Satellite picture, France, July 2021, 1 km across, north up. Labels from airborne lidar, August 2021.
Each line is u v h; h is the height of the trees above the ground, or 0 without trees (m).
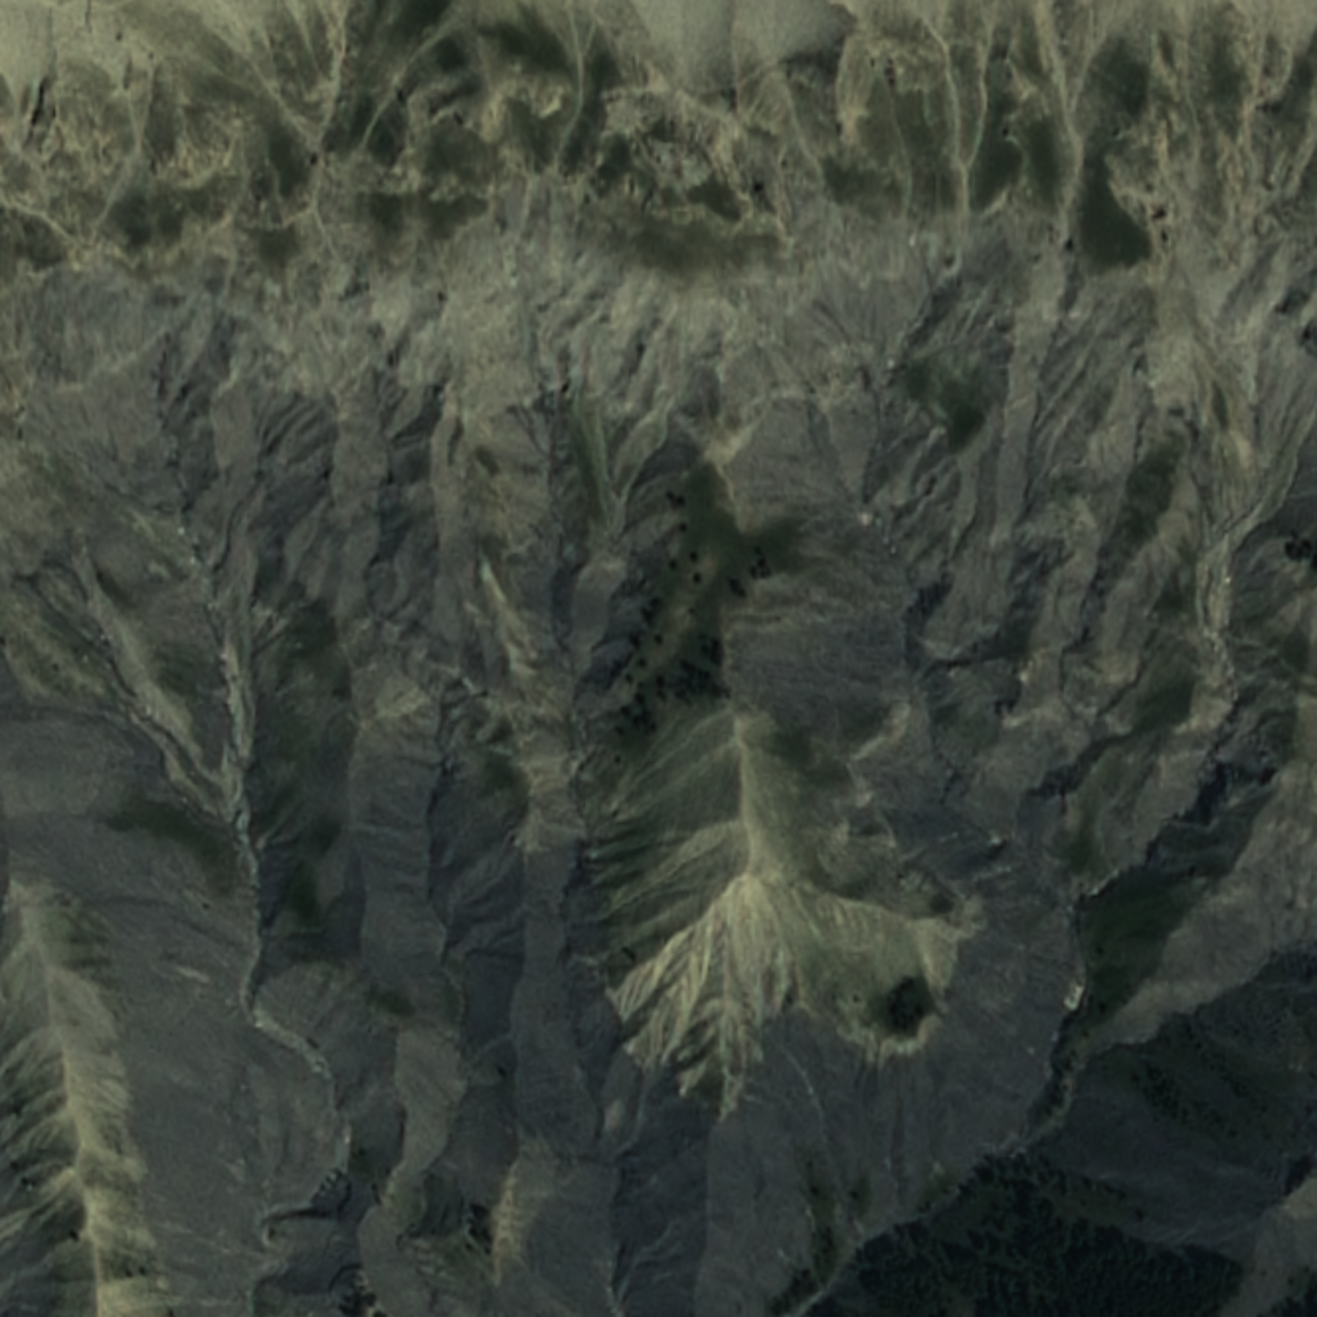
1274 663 0
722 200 0
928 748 0
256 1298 0
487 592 0
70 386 0
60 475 0
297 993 0
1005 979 0
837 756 0
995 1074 0
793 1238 0
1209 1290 22
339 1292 0
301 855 0
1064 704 0
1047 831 0
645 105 0
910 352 0
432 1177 0
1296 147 0
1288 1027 0
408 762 0
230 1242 0
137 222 0
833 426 0
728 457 0
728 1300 0
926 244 0
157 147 0
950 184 0
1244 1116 0
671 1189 0
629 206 0
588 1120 0
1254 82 0
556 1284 0
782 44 0
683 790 0
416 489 0
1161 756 0
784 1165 0
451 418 0
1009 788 0
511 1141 0
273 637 0
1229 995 0
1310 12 0
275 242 0
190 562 0
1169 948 0
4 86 0
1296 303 0
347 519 0
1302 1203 0
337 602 0
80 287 0
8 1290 0
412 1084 0
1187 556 0
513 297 0
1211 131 0
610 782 0
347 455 0
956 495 0
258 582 0
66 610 0
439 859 0
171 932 0
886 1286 19
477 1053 0
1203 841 0
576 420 0
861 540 0
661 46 0
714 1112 0
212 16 0
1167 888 0
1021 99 0
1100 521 0
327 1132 0
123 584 0
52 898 0
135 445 0
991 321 0
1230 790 0
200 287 0
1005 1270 16
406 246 0
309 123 0
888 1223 0
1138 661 0
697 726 0
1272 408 0
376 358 0
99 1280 0
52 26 0
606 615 0
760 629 0
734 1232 0
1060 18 0
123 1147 0
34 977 0
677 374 0
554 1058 0
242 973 0
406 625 0
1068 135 0
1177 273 0
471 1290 0
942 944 0
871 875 0
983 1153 0
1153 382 0
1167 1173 0
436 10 0
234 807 0
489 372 0
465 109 0
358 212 0
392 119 0
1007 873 0
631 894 0
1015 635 0
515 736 0
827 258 0
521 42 0
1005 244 0
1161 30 0
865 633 0
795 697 0
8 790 0
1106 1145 0
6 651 0
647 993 0
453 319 0
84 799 0
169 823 0
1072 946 0
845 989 0
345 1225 0
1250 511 0
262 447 0
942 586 0
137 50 0
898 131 0
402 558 0
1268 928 0
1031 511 0
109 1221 0
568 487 0
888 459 0
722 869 0
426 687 0
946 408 0
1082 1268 25
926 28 0
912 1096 0
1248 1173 0
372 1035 0
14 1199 0
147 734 0
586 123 0
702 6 0
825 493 0
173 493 0
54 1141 0
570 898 0
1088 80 0
